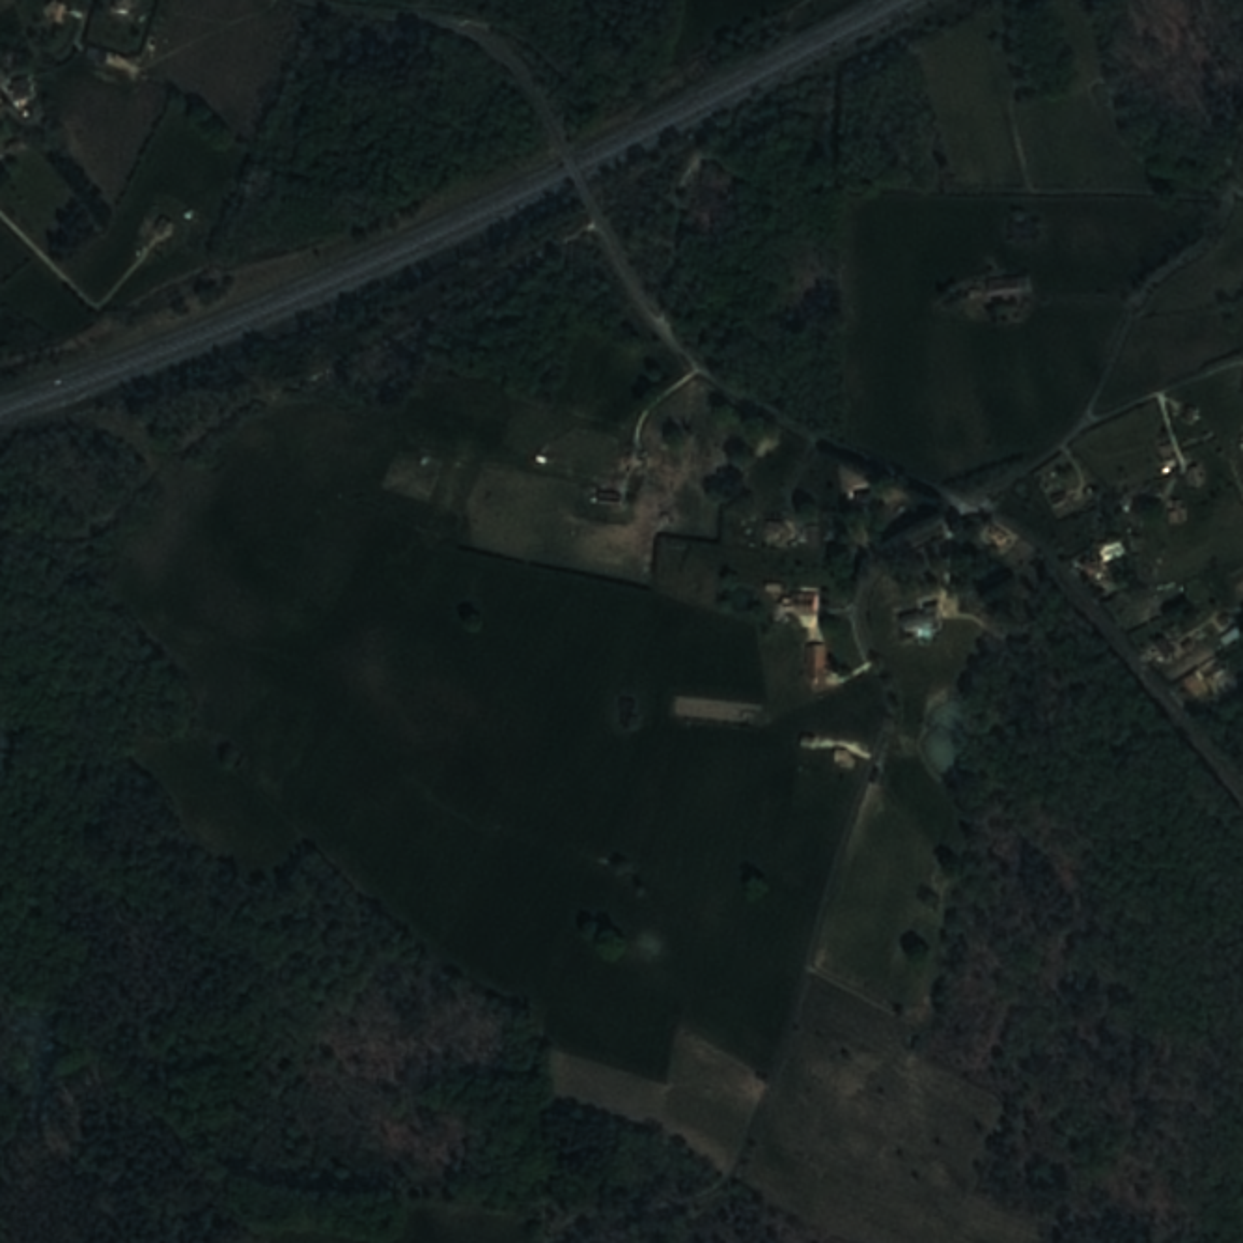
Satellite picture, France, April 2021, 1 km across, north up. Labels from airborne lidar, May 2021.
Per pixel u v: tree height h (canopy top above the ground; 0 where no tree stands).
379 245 0
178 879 20
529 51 9
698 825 0
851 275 0
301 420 0
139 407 14
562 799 0
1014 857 7
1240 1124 21
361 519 0
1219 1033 17
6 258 0
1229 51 15
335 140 12
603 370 0
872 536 16
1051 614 19
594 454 0
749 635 0
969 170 0
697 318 23
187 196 0
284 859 0
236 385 13
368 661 0
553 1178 11
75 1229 20
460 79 15
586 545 0
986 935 14
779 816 0
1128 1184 7
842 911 0
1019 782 26
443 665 0
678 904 0
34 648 22
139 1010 23
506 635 0
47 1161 21
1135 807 26
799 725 0
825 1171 0
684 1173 13
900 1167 0
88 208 9
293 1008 21
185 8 0
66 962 21
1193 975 18
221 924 20
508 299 14
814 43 0
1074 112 0
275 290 0
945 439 0
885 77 20
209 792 0
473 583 0
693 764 0
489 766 0
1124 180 0
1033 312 0
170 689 21
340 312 7
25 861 22
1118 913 14
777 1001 0
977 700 25
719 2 0
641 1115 0
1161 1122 21
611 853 0
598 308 17
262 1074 10
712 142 17
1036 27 16
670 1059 0
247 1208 22
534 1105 20
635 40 17
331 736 0
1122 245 0
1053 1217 11
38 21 8
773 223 27
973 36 0
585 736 0
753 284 22
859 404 0
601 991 0
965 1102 0
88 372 0
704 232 16
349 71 19
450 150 20
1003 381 0
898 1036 0
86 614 19
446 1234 0
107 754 17
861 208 0
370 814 0
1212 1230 16
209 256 8
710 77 11
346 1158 7
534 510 0
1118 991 12
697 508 0
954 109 0
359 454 0
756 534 0
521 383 13
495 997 10
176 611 0
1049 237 0
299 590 0
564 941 0
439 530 0
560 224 7
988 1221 0
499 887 0
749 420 17
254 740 0
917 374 0
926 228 0
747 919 0
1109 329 0
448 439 0
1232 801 24
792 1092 0
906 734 0
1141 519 14
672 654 0
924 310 0
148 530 0
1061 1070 24
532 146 13
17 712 19
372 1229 19
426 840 0
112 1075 20
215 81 0
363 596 0
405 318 9
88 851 23
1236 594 0
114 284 0
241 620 0
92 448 13
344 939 20
